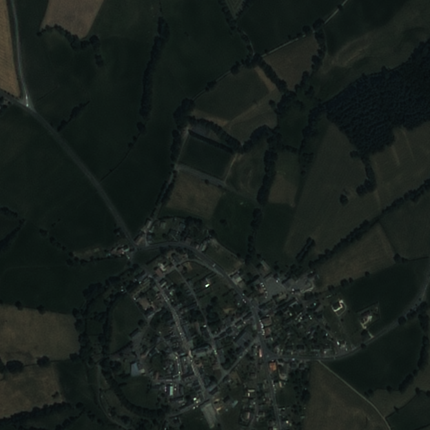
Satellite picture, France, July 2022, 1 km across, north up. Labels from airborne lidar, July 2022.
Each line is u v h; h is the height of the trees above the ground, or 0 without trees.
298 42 0
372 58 0
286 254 0
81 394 0
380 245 0
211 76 0
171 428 7
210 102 0
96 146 0
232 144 19
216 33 0
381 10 0
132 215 0
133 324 0
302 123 0
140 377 0
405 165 0
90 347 12
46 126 0
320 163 0
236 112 0
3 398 0
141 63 0
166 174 0
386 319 0
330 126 0
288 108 26
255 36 0
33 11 0
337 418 0
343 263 0
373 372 0
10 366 23
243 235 0
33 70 0
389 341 0
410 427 0
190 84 0
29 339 0
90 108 0
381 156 0
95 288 20
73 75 0
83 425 0
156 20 0
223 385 0
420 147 0
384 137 25
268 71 21
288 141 0
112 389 12
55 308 0
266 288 0
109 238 0
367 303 0
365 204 0
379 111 23
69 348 0
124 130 0
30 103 0
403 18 0
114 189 0
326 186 0
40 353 0
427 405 0
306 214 0
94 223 0
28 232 0
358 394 0
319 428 0
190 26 0
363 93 23
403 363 0
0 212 13
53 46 0
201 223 19
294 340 0
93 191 0
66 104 0
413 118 26
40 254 0
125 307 0
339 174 0
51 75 0
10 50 0
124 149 0
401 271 0
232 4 0
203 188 0
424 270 0
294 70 0
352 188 0
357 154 18
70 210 0
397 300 0
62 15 0
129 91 0
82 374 0
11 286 0
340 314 0
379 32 0
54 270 0
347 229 0
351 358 0
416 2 0
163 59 0
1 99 10
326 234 0
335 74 0
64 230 0
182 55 0
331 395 0
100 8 0
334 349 0
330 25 0
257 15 0
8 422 18
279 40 0
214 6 0
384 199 0
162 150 0
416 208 0
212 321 10
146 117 23
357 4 0
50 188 0
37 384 0
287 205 0
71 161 0
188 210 0
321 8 0
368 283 0
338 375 0
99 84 0
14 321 0
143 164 0
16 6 0
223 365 11
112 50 0
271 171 19
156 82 0
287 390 0
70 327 0
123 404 12
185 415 0
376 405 0
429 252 0
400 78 21
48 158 0
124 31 0
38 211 0
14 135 0
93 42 21
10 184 0
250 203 0
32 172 0
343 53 0
